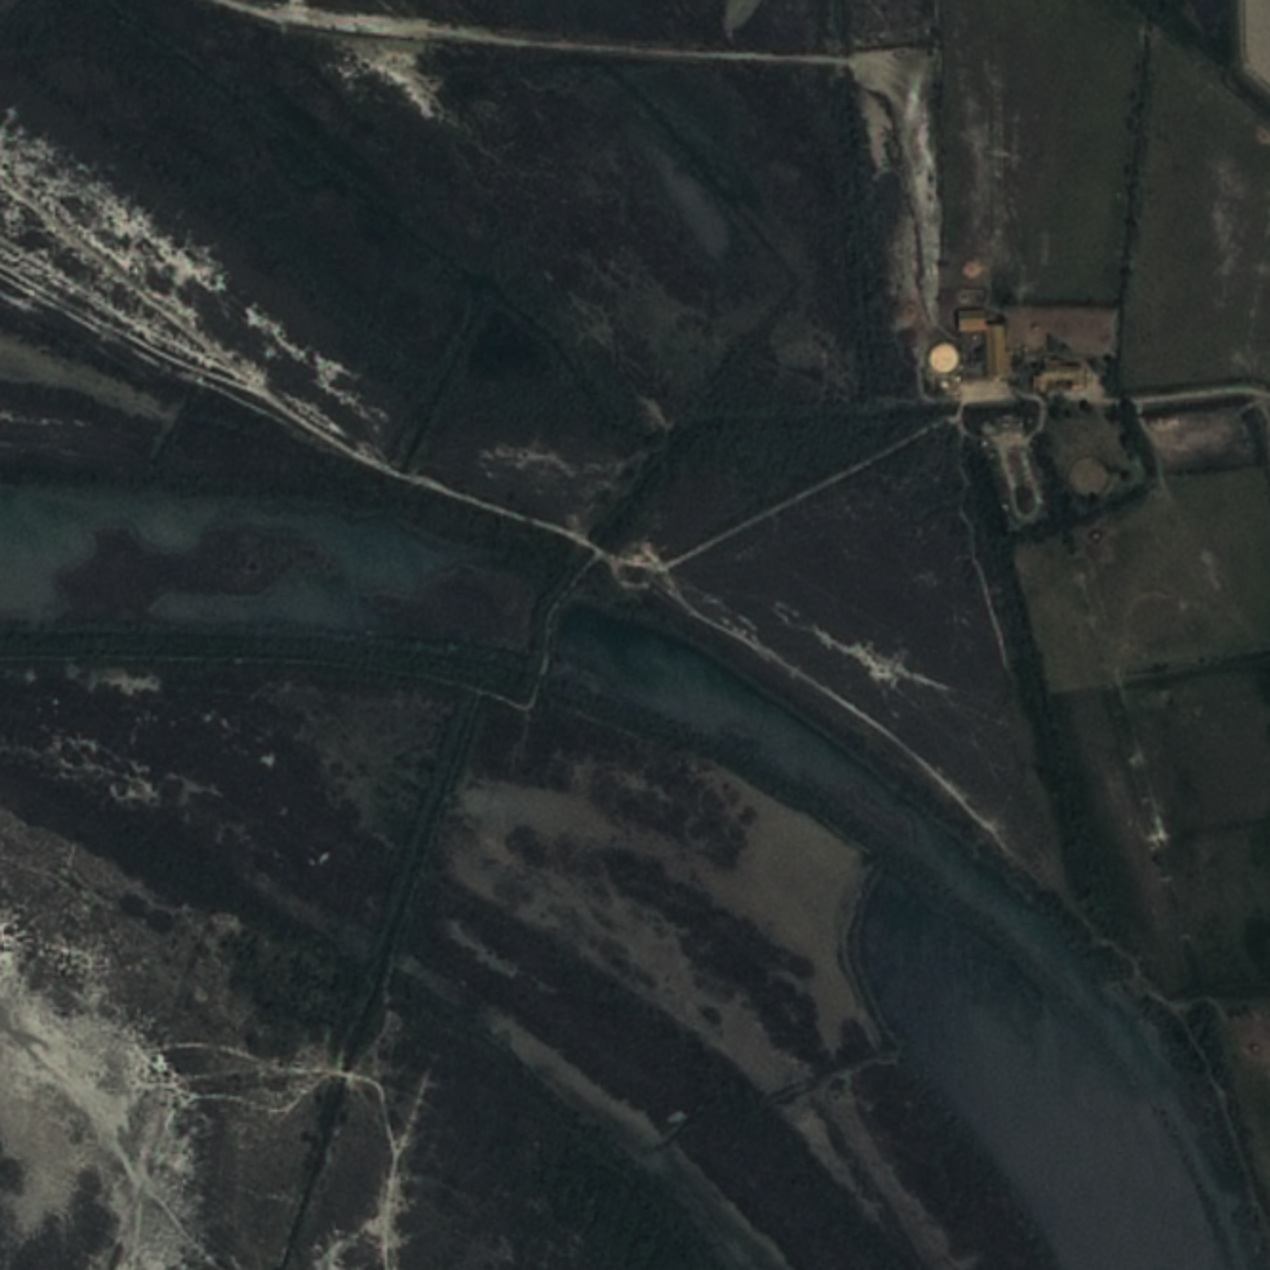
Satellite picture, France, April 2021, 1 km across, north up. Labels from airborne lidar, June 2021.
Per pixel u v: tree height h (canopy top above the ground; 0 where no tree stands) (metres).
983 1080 0
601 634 0
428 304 0
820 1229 0
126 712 0
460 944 0
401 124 0
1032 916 0
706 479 0
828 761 0
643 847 0
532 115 0
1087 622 0
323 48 0
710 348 0
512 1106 0
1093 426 0
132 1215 0
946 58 0
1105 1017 0
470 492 0
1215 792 0
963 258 0
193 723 0
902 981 0
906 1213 0
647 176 0
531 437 0
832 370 0
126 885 0
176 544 0
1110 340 0
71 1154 0
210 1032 0
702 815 0
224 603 0
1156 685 0
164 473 6
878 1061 0
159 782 0
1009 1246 0
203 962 0
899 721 0
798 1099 0
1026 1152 0
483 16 0
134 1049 0
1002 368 0
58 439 0
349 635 6
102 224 0
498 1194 0
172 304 0
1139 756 0
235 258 0
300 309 0
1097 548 0
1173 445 0
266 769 0
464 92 0
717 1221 0
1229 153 0
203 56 0
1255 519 0
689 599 0
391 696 0
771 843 0
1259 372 0
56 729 0
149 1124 0
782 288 0
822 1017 0
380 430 0
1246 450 0
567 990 0
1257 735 0
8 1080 0
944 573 0
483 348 0
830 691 0
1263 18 0
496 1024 0
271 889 0
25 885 0
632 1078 0
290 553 0
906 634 0
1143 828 0
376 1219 0
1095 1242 0
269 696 0
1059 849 0
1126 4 0
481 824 0
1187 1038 7
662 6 0
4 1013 0
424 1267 0
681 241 0
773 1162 0
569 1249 0
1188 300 0
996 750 0
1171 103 0
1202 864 0
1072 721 0
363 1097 0
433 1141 0
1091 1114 0
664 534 0
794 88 0
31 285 0
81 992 0
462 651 6
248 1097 0
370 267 0
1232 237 0
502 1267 0
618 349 0
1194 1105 0
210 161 0
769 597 0
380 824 0
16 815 0
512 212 0
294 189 0
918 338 0
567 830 0
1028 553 0
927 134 0
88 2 0
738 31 0
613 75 0
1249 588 0
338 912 0
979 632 0
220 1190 0
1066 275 0
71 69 0
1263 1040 0
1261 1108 0
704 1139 0
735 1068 0
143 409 0
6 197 0
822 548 0
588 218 0
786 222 0
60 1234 0
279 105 0
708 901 0
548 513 0
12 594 0
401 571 0
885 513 0
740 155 0
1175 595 0
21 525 0
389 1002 0
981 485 7
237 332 0
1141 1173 0
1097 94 0
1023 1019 0
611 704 5
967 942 0
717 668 0
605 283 0
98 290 0
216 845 0
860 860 0
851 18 0
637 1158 0
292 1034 0
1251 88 0
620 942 0
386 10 0
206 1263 0
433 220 0
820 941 0
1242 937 0
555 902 0
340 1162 0
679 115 0
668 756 0
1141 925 0
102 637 6
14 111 0
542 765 0
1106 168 0
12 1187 0
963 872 0
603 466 0
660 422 0
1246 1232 0
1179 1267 0
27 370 0
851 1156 0
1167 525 0
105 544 0
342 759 0
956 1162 0
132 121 0
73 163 0
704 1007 0
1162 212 0
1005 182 0
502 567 0
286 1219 0
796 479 0
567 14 0
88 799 0
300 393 0
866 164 7
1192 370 0
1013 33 0
